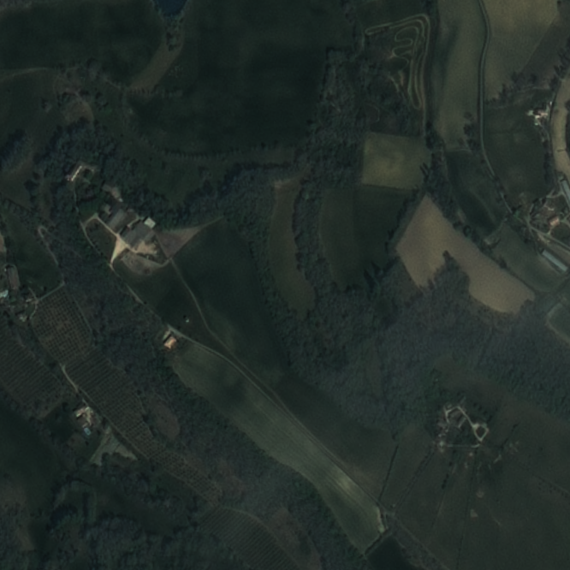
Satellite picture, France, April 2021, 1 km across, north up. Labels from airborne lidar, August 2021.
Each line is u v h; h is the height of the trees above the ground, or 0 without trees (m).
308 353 24
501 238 0
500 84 0
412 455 0
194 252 0
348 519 0
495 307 0
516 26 0
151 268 0
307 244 23
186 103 0
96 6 0
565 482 0
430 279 0
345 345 15
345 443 0
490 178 0
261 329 0
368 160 0
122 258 0
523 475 0
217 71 0
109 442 0
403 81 0
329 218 0
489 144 0
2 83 0
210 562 7
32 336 6
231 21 0
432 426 8
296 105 0
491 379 11
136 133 8
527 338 14
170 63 0
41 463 0
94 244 7
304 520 23
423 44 0
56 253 15
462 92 0
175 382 10
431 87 0
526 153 0
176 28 16
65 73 11
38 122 0
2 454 0
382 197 0
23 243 0
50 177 10
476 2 0
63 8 0
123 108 14
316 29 0
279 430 0
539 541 0
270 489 22
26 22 0
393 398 16
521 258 0
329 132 20
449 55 0
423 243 0
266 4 0
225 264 0
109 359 21
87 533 22
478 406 8
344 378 27
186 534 20
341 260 0
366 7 0
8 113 0
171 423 0
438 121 0
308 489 14
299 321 23
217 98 0
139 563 26
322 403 0
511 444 0
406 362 17
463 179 0
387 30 13
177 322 0
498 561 0
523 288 0
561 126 0
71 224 12
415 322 11
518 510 0
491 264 0
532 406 0
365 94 6
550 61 0
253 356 0
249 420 0
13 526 29
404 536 15
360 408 21
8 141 0
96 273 17
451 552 0
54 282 0
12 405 17
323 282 25
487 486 0
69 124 0
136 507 0
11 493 0
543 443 0
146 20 0
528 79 14
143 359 14
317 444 0
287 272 0
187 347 0
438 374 8
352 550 13
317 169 20
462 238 0
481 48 0
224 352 0
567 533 0
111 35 0
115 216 0
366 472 0
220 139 0
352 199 0
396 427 19
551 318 0
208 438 13
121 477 15
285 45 0
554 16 0
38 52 0
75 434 7
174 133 0
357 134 20
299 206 21
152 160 7
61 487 10
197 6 0
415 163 0
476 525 0
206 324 0
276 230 0
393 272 16
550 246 0
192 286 0
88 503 20
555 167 11
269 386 0
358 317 16
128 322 13
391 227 0
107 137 24
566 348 17
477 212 0
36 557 6
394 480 0
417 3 0
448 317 9
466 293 9
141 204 21
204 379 0
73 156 17
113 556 22
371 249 0
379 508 11
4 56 0
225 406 0
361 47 10
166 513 15
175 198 0
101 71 17
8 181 0
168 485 0
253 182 17
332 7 0
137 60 0
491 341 16
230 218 13
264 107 0
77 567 0
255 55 0
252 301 0
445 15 0
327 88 14
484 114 0
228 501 9
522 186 0
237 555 15
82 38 0
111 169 23
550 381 27
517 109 0
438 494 0
